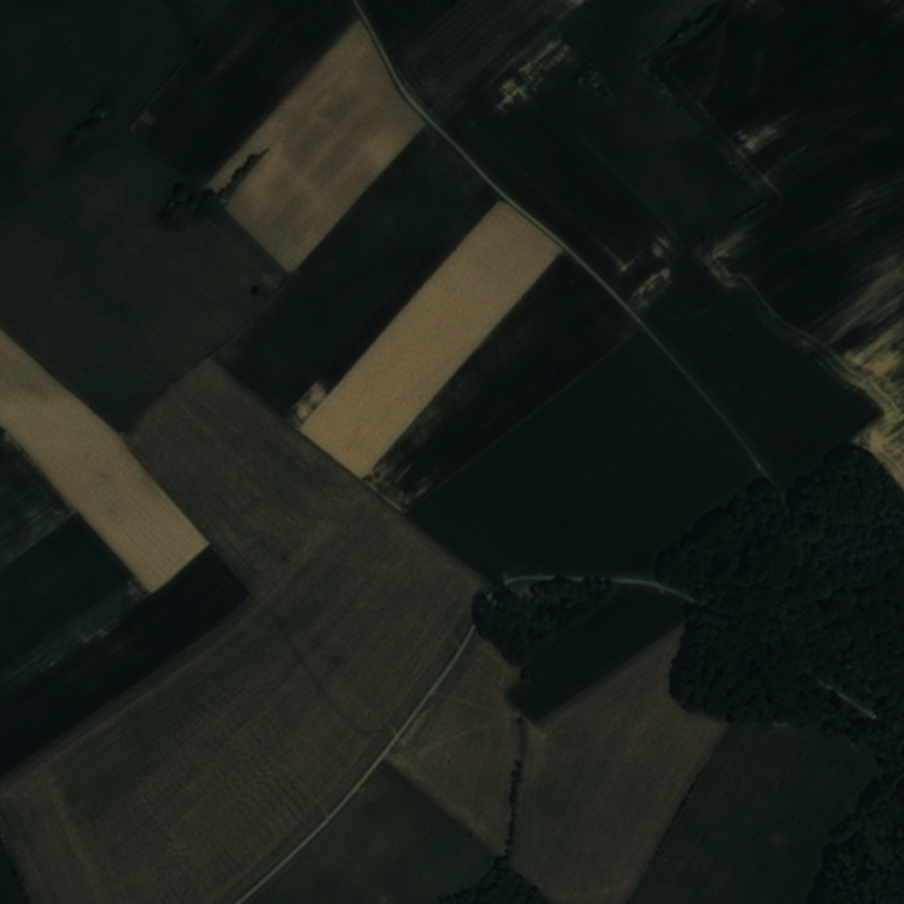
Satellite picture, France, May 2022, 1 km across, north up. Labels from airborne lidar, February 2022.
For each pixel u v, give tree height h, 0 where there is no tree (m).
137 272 0
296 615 0
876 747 21
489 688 0
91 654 0
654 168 0
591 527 0
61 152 0
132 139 0
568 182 0
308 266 0
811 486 20
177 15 0
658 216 0
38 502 0
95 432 0
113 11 0
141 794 0
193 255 0
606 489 0
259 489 0
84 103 0
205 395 0
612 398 0
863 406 0
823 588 31
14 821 0
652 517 0
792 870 0
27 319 0
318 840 0
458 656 0
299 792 0
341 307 0
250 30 0
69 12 0
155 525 0
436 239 0
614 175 0
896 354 0
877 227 0
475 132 0
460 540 0
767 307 0
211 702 0
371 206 0
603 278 0
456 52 0
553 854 0
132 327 0
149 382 0
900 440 0
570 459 0
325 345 0
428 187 0
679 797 0
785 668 31
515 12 0
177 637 0
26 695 0
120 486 0
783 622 34
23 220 0
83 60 0
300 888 0
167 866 0
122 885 0
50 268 0
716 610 19
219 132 0
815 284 0
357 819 0
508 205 0
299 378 0
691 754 0
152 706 0
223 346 0
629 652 0
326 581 0
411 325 0
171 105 0
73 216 0
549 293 0
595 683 0
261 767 0
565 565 0
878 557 29
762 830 0
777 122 0
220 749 0
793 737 0
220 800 0
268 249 0
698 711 15
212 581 0
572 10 0
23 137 0
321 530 0
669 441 0
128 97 0
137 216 0
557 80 0
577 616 15
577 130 0
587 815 0
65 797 0
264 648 0
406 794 0
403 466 0
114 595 0
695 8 0
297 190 0
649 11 0
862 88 0
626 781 0
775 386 0
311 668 0
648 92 0
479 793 0
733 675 30
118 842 0
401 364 0
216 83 0
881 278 0
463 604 0
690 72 0
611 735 0
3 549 0
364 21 0
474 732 0
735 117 0
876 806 21
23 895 7
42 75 0
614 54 0
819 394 0
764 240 0
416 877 0
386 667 0
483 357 0
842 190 0
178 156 0
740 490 0
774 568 33
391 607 0
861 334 0
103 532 0
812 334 0
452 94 0
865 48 0
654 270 0
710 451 0
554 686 0
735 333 0
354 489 0
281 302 0
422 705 0
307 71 0
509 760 0
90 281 0
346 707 0
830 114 0
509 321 0
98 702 0
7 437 0
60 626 0
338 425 0
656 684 0
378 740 0
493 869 6
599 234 0
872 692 22
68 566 0
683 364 0
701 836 0
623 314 0
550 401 0
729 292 0
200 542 0
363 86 0
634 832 0
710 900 0
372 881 0
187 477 0
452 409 0
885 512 30
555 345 0
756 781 0
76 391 0
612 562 0
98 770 0
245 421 0
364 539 0
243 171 6
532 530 0
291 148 0
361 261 0
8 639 0
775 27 0
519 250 0
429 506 0
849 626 31
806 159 0
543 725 0
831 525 29
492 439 0
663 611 0
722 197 0
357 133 0
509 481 0
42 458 0
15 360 0
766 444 0
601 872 0
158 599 0
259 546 0
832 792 0
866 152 0
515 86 0
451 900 12
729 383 0
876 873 7
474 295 0
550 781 0
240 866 0
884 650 23
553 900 0
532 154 0
